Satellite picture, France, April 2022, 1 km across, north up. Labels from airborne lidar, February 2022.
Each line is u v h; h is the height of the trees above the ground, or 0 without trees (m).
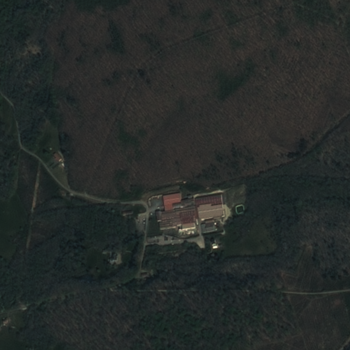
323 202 23
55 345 23
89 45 0
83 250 17
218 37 0
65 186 0
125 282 22
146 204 0
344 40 0
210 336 24
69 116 0
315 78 0
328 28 0
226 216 0
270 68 0
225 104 0
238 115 0
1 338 0
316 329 0
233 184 23
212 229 0
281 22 0
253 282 25
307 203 22
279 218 17
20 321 0
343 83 0
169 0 0
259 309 0
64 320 0
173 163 0
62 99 0
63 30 0
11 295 25
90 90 0
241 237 10
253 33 0
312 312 0
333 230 13
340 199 13
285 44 0
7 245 0
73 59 0
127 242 18
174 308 24
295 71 0
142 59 0
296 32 0
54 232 0
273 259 22
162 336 28
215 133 0
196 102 0
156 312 26
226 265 23
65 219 23
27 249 0
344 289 0
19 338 17
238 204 0
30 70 21
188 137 0
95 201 0
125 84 0
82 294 24
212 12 0
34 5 9
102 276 0
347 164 22
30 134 20
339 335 0
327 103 0
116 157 0
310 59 0
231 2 0
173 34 0
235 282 25
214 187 14
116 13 0
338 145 26
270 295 25
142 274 0
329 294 0
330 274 19
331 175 23
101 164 0
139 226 0
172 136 0
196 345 23
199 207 0
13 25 24
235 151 18
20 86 21
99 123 0
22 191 0
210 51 0
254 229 0
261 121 0
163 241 0
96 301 27
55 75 0
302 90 0
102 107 0
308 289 0
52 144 0
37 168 0
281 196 22
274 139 0
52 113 23
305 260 0
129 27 0
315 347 0
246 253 0
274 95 0
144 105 0
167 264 22
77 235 23
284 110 0
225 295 27
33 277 20
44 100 29
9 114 0
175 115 0
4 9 27
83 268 19
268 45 0
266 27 0
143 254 23
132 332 0
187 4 0
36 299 24
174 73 0
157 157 0
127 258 0
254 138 0
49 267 23
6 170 20
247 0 0
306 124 0
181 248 0
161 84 0
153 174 0
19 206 0
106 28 0
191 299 0
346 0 0
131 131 0
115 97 0
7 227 0
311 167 24
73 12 0
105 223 20
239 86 0
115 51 16
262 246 0
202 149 0
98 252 0
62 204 22
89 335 0
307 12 18
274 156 0
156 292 28
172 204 0
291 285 0
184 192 0
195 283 10
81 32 0
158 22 0
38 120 23
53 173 0
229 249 0
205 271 15
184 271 21
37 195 0
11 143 21
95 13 0
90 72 0
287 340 0
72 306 28
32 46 0
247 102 0
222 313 26
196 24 0
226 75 0
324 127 0
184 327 24
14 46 17
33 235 0
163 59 0
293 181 19
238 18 0
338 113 0
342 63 0
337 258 24
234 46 0
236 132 0
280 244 12
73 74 0
